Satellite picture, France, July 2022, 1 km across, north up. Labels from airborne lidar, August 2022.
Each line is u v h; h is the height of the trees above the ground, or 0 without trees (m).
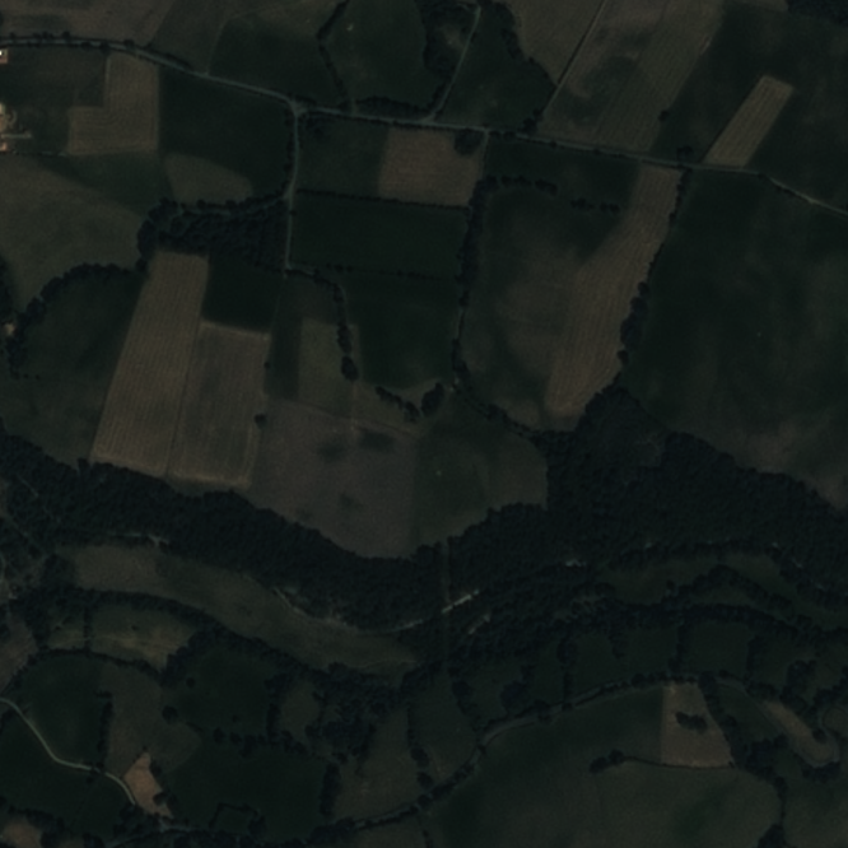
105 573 0
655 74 0
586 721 0
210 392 0
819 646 15
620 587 0
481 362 0
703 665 0
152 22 0
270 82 0
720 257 0
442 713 0
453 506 0
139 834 15
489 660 25
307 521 0
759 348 0
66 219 0
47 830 14
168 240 19
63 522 17
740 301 0
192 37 0
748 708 0
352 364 16
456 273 0
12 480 16
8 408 0
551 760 0
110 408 0
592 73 0
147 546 11
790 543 14
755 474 14
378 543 0
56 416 0
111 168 0
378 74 0
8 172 0
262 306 0
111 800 0
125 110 0
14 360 15
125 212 0
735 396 0
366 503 0
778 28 0
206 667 0
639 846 0
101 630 0
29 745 0
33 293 0
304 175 0
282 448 0
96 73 0
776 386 0
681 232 0
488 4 18
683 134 0
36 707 0
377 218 0
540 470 0
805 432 0
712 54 0
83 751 0
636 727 0
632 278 0
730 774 0
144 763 0
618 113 0
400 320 0
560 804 0
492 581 13
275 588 9
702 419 0
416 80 0
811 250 0
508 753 0
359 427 0
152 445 0
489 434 0
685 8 0
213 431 0
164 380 0
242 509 15
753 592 17
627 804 0
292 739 16
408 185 0
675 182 0
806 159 0
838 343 0
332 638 0
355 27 0
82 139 0
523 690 19
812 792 0
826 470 0
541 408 0
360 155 0
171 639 0
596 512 7
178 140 0
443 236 0
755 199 0
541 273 0
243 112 0
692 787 0
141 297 0
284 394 0
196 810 0
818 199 0
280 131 0
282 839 0
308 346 0
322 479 0
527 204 0
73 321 0
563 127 0
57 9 0
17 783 0
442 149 0
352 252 0
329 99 0
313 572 14
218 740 16
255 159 0
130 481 6
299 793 0
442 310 0
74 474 9
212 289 0
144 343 0
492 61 0
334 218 0
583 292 0
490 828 0
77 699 0
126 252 0
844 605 16
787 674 0
